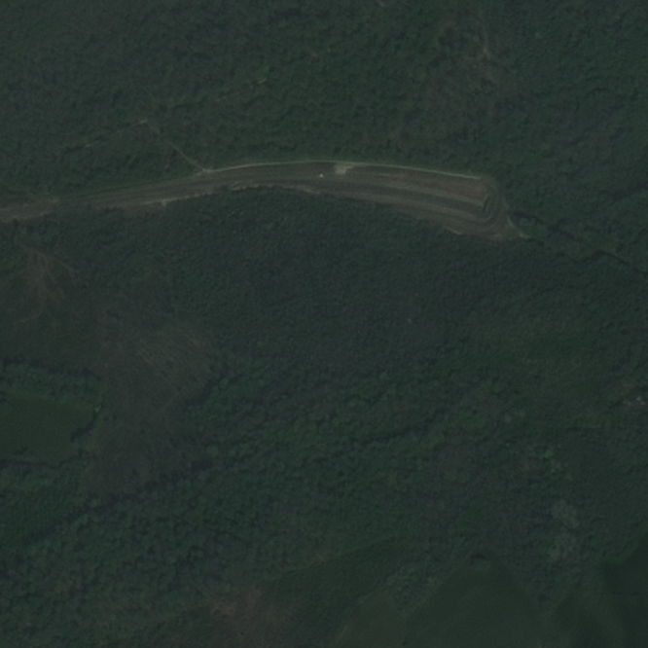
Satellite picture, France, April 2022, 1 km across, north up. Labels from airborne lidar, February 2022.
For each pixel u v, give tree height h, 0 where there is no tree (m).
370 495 23
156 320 0
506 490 23
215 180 0
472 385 14
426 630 0
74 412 0
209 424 23
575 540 30
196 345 0
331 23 31
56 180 21
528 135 25
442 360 20
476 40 21
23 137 20
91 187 20
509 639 0
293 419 22
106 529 27
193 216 21
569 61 28
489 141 25
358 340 14
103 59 29
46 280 0
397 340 16
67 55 29
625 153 30
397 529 21
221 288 11
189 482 20
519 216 8
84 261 26
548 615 20
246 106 10
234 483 25
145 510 29
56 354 0
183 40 27
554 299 22
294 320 11
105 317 0
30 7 25
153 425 0
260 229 13
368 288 12
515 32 30
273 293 12
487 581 0
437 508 28
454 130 24
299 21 31
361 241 10
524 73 25
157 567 32
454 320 16
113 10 28
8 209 0
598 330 19
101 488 0
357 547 22
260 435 21
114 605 30
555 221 19
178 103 24
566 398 20
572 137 23
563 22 26
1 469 20
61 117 21
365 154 15
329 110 26
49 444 0
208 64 31
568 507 35
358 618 0
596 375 20
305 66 25
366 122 26
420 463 22
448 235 13
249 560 31
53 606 26
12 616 28
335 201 13
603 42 25
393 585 18
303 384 27
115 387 0
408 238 13
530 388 21
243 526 22
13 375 21
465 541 21
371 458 20
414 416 13
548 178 32
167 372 0
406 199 0
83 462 13
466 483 25
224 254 13
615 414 20
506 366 17
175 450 0
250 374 20
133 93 27
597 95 19
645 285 16
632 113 24
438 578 19
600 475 14
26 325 0
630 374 28
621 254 13
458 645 0
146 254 16
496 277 12
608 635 0
